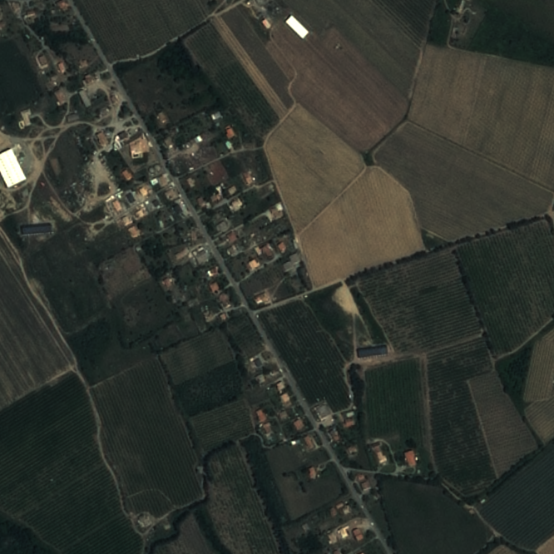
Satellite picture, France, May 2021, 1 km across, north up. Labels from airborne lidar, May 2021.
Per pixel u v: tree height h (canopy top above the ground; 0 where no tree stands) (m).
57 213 0
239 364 6
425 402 0
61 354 0
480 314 18
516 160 0
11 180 0
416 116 0
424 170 0
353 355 0
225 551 6
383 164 0
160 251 10
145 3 0
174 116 0
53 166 0
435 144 0
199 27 11
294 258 0
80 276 0
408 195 0
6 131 0
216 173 0
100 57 0
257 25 0
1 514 0
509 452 0
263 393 0
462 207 0
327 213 0
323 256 0
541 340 0
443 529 0
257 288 0
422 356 0
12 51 0
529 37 0
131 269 0
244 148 0
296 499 0
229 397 6
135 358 0
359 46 0
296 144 0
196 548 0
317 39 0
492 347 17
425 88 0
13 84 0
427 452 0
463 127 0
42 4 0
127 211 0
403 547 0
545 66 0
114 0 0
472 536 0
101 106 0
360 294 9
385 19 0
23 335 0
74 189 0
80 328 0
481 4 0
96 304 0
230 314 8
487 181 0
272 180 0
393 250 0
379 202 0
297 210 0
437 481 10
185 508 5
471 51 0
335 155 0
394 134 0
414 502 0
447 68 0
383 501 6
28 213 0
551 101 0
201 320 0
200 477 0
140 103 0
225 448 18
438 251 13
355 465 8
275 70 0
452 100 0
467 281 21
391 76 0
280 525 9
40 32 8
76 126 0
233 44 0
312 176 0
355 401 10
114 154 7
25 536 17
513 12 0
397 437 0
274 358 0
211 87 8
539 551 0
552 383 0
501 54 0
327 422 0
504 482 5
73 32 7
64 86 6
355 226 0
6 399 0
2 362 0
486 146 0
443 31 0
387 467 0
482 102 0
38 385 0
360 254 0
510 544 10
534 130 0
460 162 0
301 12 0
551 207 0
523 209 0
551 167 0
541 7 0
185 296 0
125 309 0
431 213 0
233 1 0
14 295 0
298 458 0
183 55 10
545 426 0
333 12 0
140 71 0
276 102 0
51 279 0
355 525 0
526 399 0
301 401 0
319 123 0
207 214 8
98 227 0
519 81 0
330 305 0
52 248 0
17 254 0
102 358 0
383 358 0
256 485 9
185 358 0
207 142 0
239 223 0
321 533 7
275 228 0
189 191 7
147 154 0
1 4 12
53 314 0
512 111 0
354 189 0
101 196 0
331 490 0
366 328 0
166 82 0
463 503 9
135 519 0
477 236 12
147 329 0
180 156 0
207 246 0
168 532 0
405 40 0
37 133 0
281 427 0
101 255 0
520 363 7
